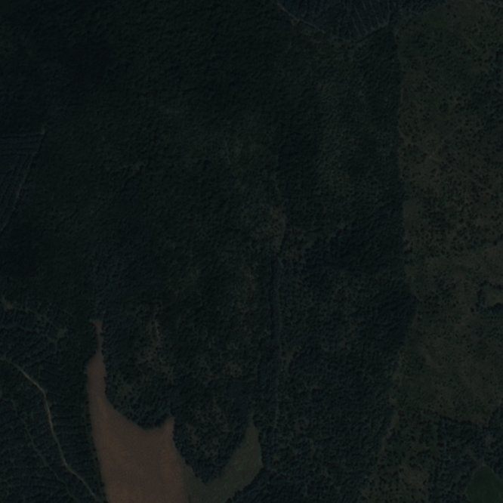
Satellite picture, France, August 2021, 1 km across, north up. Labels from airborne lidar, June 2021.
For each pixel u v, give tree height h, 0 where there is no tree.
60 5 11
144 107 7
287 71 12
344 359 9
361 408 11
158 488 0
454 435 9
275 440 7
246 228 7
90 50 20
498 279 0
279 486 6
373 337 8
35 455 10
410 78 0
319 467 6
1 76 21
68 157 12
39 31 17
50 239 15
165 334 9
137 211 13
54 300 11
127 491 0
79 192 12
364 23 11
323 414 8
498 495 0
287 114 9
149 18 17
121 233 17
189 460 17
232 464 0
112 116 12
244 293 9
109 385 11
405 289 11
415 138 8
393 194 9
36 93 15
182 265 8
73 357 10
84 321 10
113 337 13
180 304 8
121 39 19
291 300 6
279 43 11
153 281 14
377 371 10
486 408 5
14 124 11
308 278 7
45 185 12
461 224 13
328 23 9
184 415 11
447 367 0
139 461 0
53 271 13
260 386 15
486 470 0
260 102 8
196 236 7
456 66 7
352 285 7
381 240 8
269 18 14
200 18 19
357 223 9
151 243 10
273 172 10
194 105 9
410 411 11
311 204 11
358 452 7
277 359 15
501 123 6
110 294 13
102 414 0
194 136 7
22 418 12
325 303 8
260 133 7
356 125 7
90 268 11
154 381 11
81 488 10
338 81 8
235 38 12
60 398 11
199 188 9
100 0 16
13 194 11
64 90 15
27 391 6
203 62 8
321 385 7
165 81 9
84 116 12
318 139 7
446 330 8
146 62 16
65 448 11
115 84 18
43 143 12
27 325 10
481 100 8
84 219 9
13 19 18
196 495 0
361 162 6
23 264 16
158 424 17
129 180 12
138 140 14
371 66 6
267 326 9
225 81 16
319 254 6
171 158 13
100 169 15
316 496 8
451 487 6
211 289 10
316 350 10
